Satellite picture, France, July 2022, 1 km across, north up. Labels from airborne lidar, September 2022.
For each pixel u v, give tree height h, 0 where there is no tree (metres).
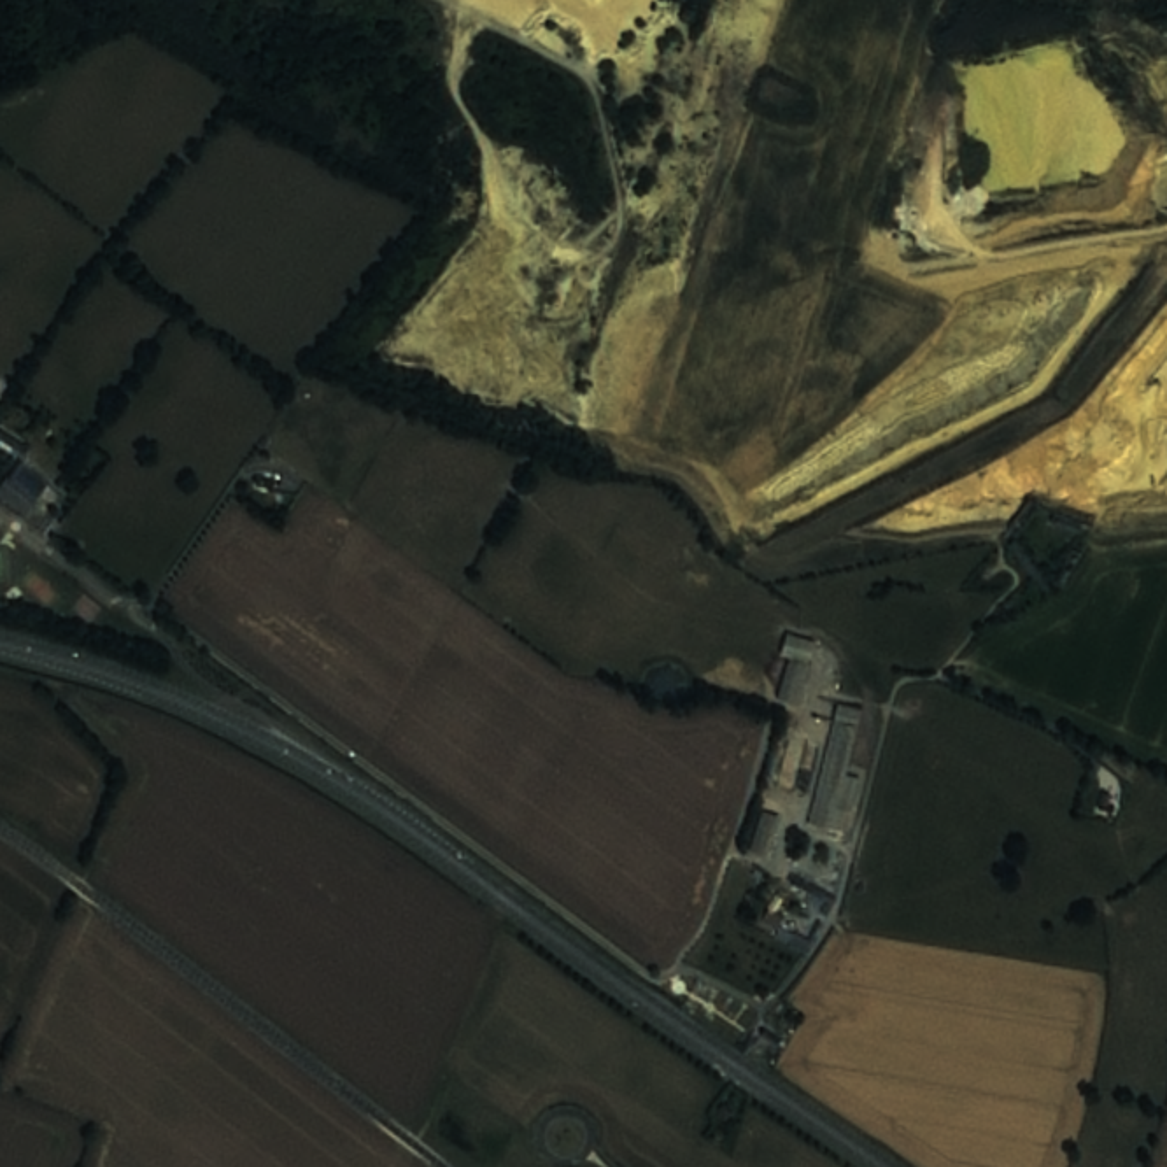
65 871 0
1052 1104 0
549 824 0
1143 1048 0
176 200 0
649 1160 0
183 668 0
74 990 0
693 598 0
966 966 0
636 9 0
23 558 0
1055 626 0
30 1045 0
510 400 0
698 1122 0
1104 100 0
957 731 0
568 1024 0
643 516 0
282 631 0
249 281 0
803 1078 0
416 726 0
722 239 0
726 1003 0
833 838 0
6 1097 0
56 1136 0
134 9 8
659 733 0
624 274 0
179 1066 0
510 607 0
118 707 0
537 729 0
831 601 0
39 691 11
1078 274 0
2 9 10
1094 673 0
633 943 0
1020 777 0
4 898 0
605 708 0
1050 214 0
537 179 0
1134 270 0
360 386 8
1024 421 0
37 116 0
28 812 0
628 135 6
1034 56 0
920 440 0
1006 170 0
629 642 0
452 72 0
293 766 0
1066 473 0
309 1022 0
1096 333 0
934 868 0
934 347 0
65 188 0
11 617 18
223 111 9
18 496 0
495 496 0
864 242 0
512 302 0
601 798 0
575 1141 0
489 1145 0
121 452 0
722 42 0
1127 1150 0
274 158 0
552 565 0
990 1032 0
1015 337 0
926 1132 0
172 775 0
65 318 9
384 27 10
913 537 0
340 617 0
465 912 0
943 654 0
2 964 0
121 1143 0
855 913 0
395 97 7
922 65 0
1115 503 0
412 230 8
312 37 10
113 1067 0
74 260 0
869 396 0
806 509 0
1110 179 0
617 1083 0
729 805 0
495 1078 0
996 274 0
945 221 0
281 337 0
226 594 0
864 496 0
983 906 0
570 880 0
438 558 0
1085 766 7
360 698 0
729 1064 0
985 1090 0
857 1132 0
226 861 0
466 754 0
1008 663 0
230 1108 0
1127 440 0
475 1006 0
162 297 14
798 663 0
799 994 0
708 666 0
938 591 0
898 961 0
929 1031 0
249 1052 0
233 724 0
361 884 0
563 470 8
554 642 0
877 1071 0
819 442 0
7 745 0
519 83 0
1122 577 0
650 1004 0
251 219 0
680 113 0
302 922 0
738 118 0
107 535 0
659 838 0
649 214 0
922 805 0
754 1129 0
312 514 0
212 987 0
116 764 16
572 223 0
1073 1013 0
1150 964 0
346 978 0
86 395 0
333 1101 0
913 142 0
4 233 0
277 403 11
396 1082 0
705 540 14
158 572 0
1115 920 0
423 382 7
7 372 0
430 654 0
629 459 0
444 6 0
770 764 7
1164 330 0
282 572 0
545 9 0
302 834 0
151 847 0
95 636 16
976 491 0
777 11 0
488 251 0
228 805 0
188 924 0
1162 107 0
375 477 0
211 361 0
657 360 0
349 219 0
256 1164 0
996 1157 0
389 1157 0
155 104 0
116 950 0
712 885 0
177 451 0
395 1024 0
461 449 0
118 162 0
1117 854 0
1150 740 0
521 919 0
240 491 6
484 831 0
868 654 0
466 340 0
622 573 0
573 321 0
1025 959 0
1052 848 0
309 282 0
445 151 8
